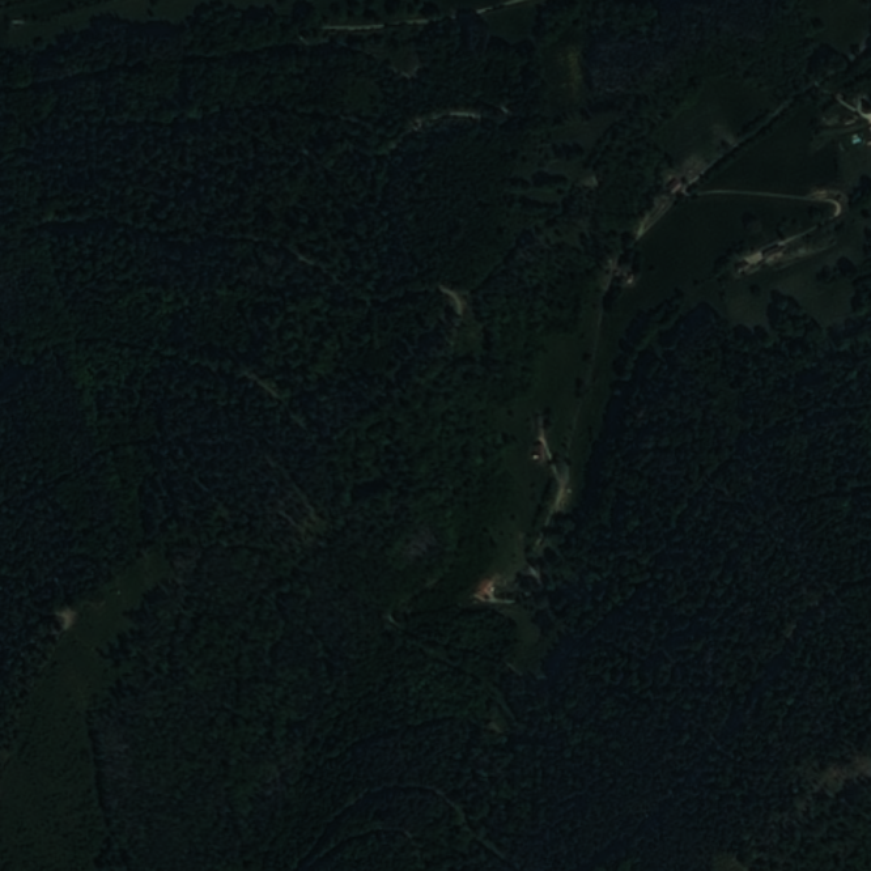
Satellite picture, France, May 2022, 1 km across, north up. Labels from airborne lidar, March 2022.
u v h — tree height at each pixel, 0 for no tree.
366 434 16
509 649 18
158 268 35
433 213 12
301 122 10
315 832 15
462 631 15
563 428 0
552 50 0
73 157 25
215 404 32
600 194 12
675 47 23
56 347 13
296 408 15
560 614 24
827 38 0
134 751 22
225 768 26
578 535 28
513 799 30
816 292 0
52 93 24
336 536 21
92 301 9
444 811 21
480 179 13
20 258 21
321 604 29
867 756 23
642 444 33
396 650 18
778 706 25
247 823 24
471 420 27
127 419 12
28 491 28
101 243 27
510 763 33
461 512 13
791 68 22
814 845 18
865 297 9
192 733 25
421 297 8
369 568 20
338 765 15
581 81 0
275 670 28
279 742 23
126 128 23
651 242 0
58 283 32
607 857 27
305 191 12
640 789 28
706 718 31
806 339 16
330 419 45
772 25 25
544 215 12
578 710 23
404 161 19
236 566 24
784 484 21
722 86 0
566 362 0
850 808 31
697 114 0
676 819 26
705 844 25
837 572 17
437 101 13
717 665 33
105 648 0
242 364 27
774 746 27
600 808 24
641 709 27
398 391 17
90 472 22
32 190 28
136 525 9
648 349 0
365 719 16
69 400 20
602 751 27
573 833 27
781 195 0
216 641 30
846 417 23
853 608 15
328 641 32
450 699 9
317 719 20
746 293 0
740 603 26
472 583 7
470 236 11
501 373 28
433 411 20
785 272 0
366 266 28
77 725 0
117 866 24
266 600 28
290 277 29
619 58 26
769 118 7
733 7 28
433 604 10
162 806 25
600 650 22
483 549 6
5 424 29
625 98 14
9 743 22
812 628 22
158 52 28
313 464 27
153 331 13
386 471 20
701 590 28
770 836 14
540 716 31
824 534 18
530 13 0
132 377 20
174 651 25
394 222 32
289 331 28
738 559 22
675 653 32
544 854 28
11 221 29
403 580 17
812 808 20
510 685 29
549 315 10
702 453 32
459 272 12
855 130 0
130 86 22
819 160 0
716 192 0
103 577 19
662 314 6
